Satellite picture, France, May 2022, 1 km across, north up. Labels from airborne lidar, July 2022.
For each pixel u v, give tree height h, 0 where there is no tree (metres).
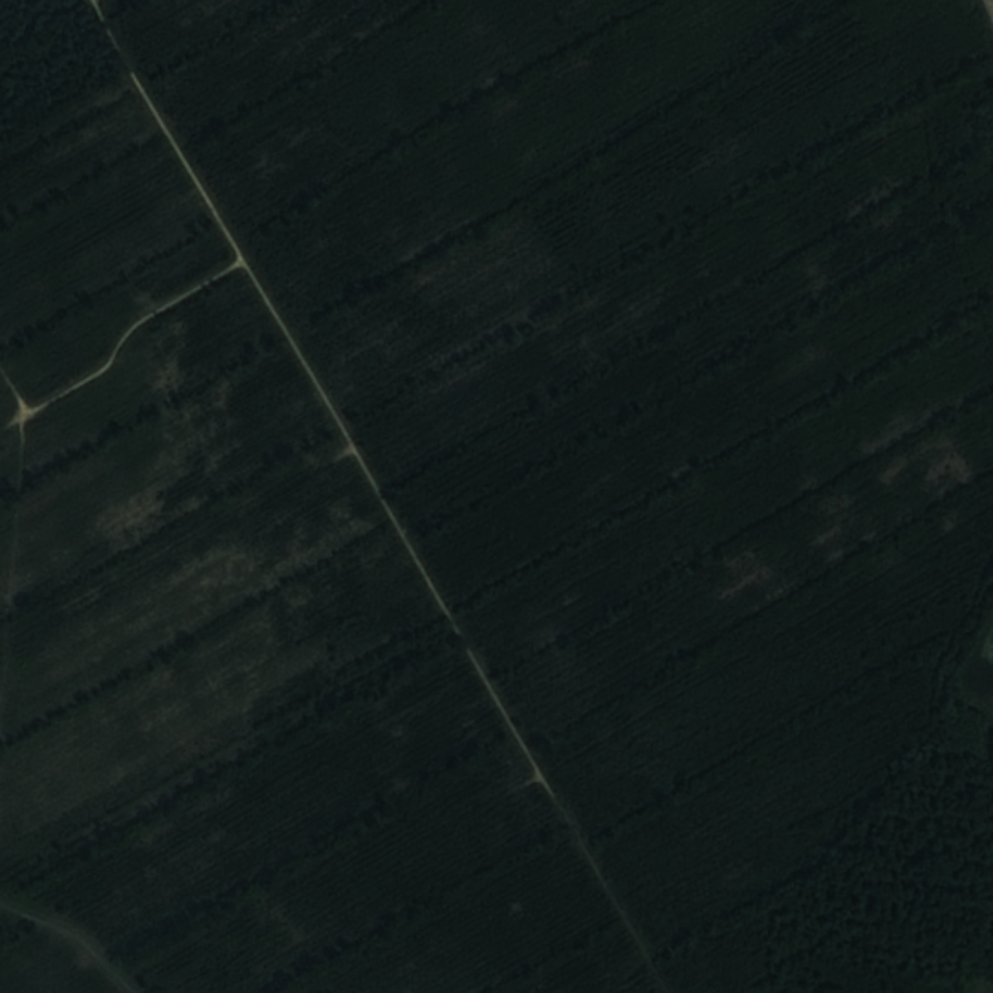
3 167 7
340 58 8
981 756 17
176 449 0
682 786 24
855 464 10
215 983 5
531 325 10
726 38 5
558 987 6
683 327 12
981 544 6
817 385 6
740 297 7
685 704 5
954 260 6
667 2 10
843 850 26
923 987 6
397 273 12
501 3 5
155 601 0
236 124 11
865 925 17
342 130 7
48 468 13
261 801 6
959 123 10
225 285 11
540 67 13
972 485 8
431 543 20
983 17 7
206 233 24
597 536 14
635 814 11
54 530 0
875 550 6
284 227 19
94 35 28
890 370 22
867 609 8
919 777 12
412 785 6
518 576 9
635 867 6
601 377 8
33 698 0
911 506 6
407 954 6
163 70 19
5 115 23
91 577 6
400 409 5
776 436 14
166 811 24
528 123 5
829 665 6
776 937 13
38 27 25
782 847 6
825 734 5
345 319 6
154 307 0
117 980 0
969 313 14
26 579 0
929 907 21
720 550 12
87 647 0
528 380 6
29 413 0
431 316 6
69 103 18
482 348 13
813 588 12
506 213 8
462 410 6
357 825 20
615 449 6
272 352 24
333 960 27
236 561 0
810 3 7
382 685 10
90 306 24
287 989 26
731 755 7
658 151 8
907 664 12
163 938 26
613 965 6
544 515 7
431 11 9
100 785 0
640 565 6
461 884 9
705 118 8
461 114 19
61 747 0
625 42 6
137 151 19
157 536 6
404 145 24
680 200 6
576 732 8
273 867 6
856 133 19
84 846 6
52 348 0
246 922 7
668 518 5
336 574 6
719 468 13
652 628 6
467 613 7
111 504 0
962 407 5
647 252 20
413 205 6
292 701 5
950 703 22
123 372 0
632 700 8
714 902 5
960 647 12
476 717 6
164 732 0
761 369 6
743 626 11
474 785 6
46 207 22
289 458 27
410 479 13
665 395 10
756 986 10
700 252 6
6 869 6
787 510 12
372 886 6
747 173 6
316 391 0
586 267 6
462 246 19
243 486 19
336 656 7
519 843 6
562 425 6
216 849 6
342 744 6
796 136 6
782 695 5
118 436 20
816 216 7
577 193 6
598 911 7
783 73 6
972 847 20
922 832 23
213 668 0
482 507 13
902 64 6
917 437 10
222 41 7
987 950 21
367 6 9
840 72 6
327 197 23
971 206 6
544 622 6
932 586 6
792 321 19
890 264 21
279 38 6
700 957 7
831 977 7
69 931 0
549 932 5
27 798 0
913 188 12
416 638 14
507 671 14
